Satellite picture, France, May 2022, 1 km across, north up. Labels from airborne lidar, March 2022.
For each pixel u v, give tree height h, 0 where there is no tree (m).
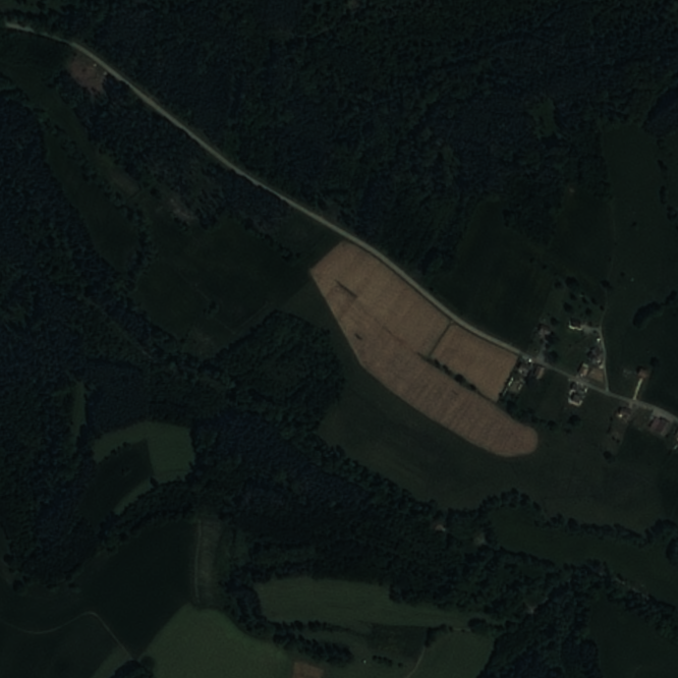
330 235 0
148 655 0
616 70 33
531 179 7
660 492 0
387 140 20
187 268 0
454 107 27
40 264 15
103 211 0
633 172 0
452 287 0
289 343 6
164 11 18
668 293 0
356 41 10
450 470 0
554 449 0
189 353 0
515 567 20
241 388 32
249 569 10
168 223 0
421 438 0
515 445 0
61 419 20
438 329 0
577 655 21
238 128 16
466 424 0
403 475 0
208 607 0
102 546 13
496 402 0
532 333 0
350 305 0
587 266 0
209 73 24
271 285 0
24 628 0
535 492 0
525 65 26
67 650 0
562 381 0
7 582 0
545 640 20
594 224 0
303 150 19
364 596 0
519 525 0
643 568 0
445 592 22
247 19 21
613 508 0
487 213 0
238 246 0
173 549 0
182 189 29
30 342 30
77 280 22
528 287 0
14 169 32
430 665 0
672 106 31
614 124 29
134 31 27
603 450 0
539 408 0
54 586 15
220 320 0
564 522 10
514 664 11
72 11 19
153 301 0
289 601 0
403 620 0
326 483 31
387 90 12
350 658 20
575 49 25
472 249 0
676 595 0
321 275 0
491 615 20
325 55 16
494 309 0
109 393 25
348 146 28
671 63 31
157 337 30
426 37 12
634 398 0
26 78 0
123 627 0
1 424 13
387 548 7
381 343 0
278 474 25
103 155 8
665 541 17
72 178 0
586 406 0
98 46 23
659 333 0
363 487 22
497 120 28
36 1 0
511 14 12
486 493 0
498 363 0
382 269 0
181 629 0
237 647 0
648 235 0
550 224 13
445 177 31
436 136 35
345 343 0
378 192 25
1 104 21
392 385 0
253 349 10
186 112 20
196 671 0
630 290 0
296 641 24
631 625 0
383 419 0
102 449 0
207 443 25
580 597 23
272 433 24
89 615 0
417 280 0
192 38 20
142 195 0
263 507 24
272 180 9
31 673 0
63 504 25
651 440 0
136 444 0
